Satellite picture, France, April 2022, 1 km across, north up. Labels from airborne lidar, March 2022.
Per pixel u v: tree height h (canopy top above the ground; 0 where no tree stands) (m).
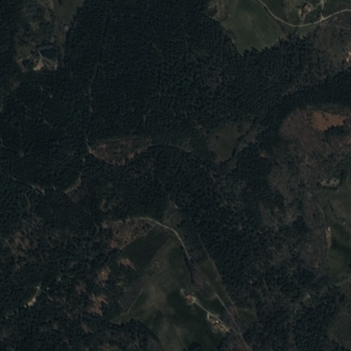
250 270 24
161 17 21
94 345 26
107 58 19
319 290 23
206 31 30
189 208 29
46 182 20
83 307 37
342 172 10
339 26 7
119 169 14
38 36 13
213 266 15
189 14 24
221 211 13
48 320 29
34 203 20
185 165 19
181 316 0
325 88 15
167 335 0
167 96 26
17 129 12
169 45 22
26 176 16
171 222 0
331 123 0
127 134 14
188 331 0
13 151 11
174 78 29
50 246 30
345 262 0
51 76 8
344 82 15
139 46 17
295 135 28
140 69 16
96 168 25
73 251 36
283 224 22
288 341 31
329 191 9
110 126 17
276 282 26
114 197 27
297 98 14
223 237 21
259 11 0
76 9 0
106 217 30
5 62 14
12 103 13
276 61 22
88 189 25
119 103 13
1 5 28
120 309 30
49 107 12
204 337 0
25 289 18
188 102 28
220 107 30
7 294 30
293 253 19
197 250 24
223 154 0
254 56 18
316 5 0
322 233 8
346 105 20
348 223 0
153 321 0
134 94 17
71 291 23
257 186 15
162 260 0
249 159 25
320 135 25
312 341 29
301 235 15
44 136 17
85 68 18
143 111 17
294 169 16
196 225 26
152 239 6
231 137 0
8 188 30
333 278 8
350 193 0
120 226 9
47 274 19
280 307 29
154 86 23
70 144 23
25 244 13
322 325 32
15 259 7
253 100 20
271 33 0
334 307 31
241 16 0
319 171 18
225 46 22
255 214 18
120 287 10
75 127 23
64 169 18
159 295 0
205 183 18
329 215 0
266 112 16
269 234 19
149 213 24
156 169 25
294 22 0
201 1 26
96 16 22
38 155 21
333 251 0
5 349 19
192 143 16
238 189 20
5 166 26
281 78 12
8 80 22
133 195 19
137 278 10
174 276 0
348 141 15
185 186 21
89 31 25
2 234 18
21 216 19
